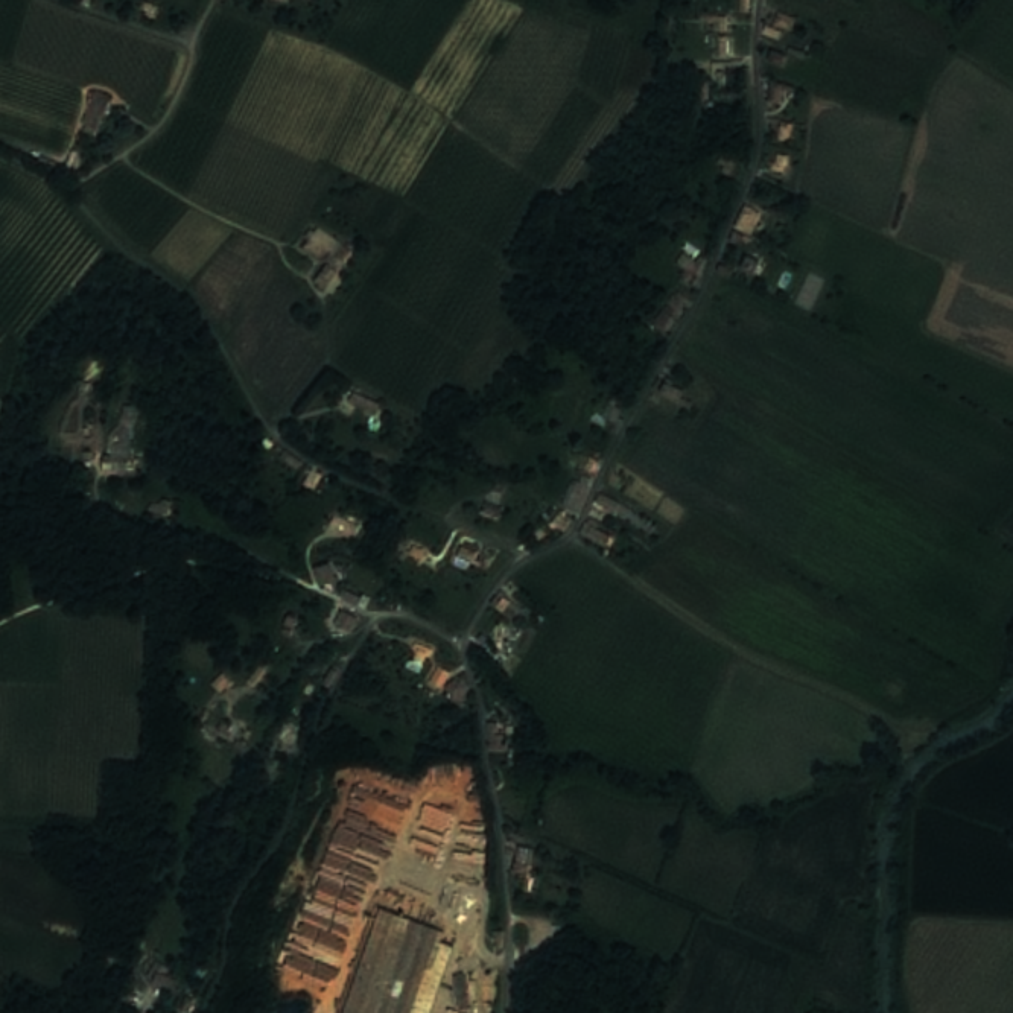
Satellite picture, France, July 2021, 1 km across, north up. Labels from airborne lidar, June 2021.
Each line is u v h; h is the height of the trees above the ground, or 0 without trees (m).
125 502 0
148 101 0
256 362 0
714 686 0
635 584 0
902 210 0
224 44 0
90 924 9
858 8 0
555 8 0
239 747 0
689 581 0
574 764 12
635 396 15
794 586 0
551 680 0
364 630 0
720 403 0
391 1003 0
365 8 0
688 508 0
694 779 12
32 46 0
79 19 0
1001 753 0
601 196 12
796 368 0
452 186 0
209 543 19
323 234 0
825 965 0
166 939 0
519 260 7
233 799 20
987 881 0
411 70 0
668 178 9
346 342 0
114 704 0
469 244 0
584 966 20
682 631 0
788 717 0
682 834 16
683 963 11
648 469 0
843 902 0
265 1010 15
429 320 0
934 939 0
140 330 35
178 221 0
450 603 0
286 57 0
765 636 0
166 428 20
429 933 0
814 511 0
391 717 6
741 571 0
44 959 0
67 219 0
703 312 0
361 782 0
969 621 0
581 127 0
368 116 0
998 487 0
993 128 0
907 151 0
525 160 0
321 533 0
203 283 0
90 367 0
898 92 0
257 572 17
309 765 7
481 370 0
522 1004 14
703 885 0
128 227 0
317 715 16
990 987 0
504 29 0
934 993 0
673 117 20
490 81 0
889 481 0
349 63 0
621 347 9
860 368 0
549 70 0
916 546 0
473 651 13
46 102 0
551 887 0
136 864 18
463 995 0
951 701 0
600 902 0
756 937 0
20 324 0
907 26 0
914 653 0
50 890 0
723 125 19
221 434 31
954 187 0
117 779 12
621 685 0
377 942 0
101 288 15
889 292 0
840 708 0
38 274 0
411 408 0
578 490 0
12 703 0
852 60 0
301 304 8
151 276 18
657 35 13
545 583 0
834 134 0
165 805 10
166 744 12
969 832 0
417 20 0
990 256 0
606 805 0
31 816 0
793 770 0
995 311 0
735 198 6
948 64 0
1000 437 0
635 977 13
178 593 23
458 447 8
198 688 0
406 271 0
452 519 0
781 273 0
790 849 0
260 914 8
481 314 0
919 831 0
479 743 7
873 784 0
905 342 0
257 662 11
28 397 7
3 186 0
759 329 0
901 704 0
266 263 0
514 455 0
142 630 0
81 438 0
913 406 0
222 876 18
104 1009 11
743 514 0
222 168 0
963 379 0
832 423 0
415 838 0
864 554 0
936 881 0
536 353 10
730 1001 0
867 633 0
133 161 0
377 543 20
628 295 13
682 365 7
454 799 0
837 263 0
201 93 0
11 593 12
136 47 0
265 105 0
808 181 0
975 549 0
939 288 0
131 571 22
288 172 0
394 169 0
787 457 0
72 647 0
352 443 0
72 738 0
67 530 22
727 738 0
